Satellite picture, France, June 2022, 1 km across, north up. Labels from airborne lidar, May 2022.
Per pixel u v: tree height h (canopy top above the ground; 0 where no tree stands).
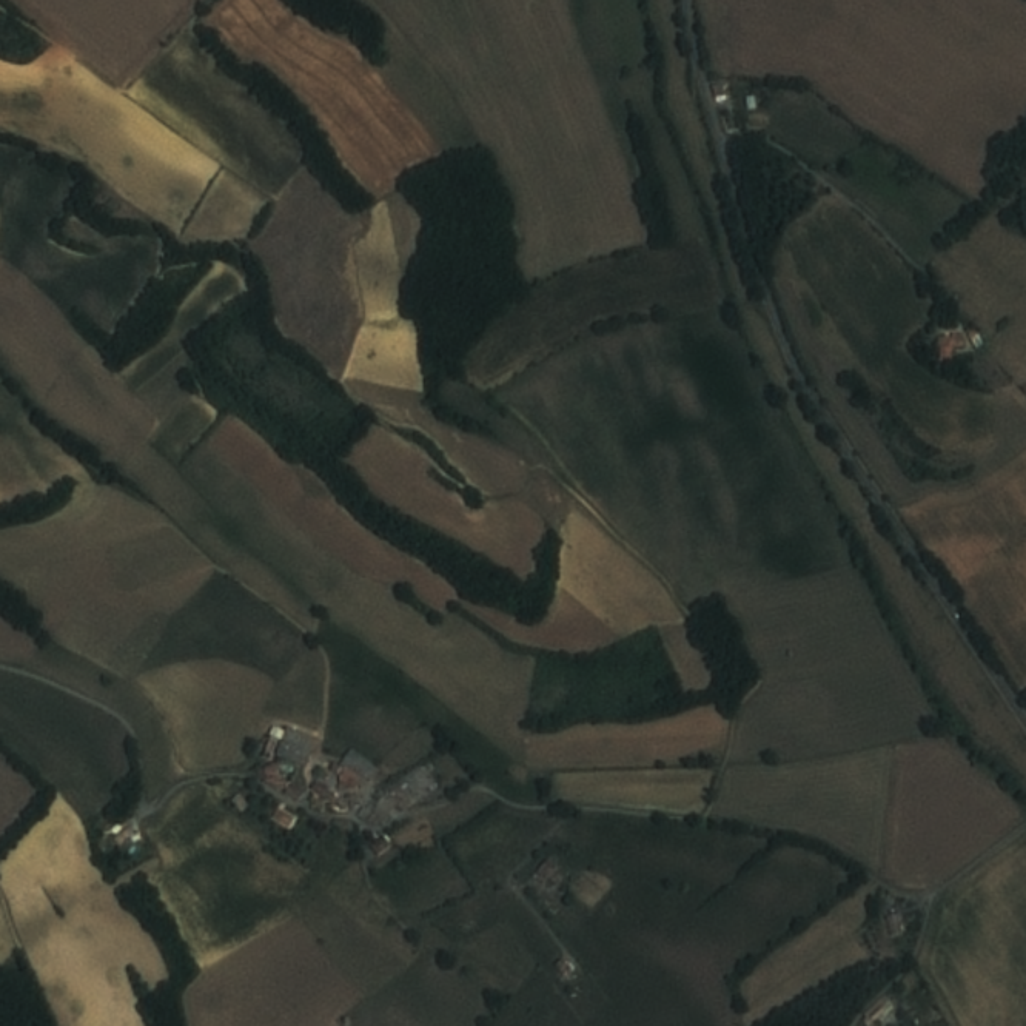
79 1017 0
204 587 0
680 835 0
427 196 17
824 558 0
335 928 0
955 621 0
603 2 0
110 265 0
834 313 0
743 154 15
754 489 0
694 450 0
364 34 20
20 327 0
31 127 0
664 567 0
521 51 0
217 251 10
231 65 17
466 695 0
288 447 7
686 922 0
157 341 10
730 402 0
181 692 0
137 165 0
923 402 0
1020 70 0
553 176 0
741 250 22
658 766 13
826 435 21
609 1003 0
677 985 0
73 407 0
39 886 0
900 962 11
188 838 0
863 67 0
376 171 0
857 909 0
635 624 0
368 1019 0
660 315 13
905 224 0
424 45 0
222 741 0
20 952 13
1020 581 0
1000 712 0
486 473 0
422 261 19
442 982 0
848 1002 17
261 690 0
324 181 13
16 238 0
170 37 7
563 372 0
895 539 11
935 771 0
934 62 0
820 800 0
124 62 0
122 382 0
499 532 0
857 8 0
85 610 0
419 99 0
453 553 18
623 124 0
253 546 0
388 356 0
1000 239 0
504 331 0
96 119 0
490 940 0
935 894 0
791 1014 18
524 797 0
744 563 0
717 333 0
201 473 0
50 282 0
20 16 11
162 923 11
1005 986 0
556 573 13
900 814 0
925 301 12
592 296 0
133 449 0
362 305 0
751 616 0
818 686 0
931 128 0
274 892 0
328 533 0
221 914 0
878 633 0
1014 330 0
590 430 0
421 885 0
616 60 0
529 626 13
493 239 16
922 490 0
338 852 0
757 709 0
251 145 0
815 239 0
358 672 0
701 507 0
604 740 0
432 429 0
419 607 6
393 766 0
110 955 0
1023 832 0
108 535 0
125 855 7
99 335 9
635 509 0
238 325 7
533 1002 0
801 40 0
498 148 0
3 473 0
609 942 0
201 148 0
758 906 0
